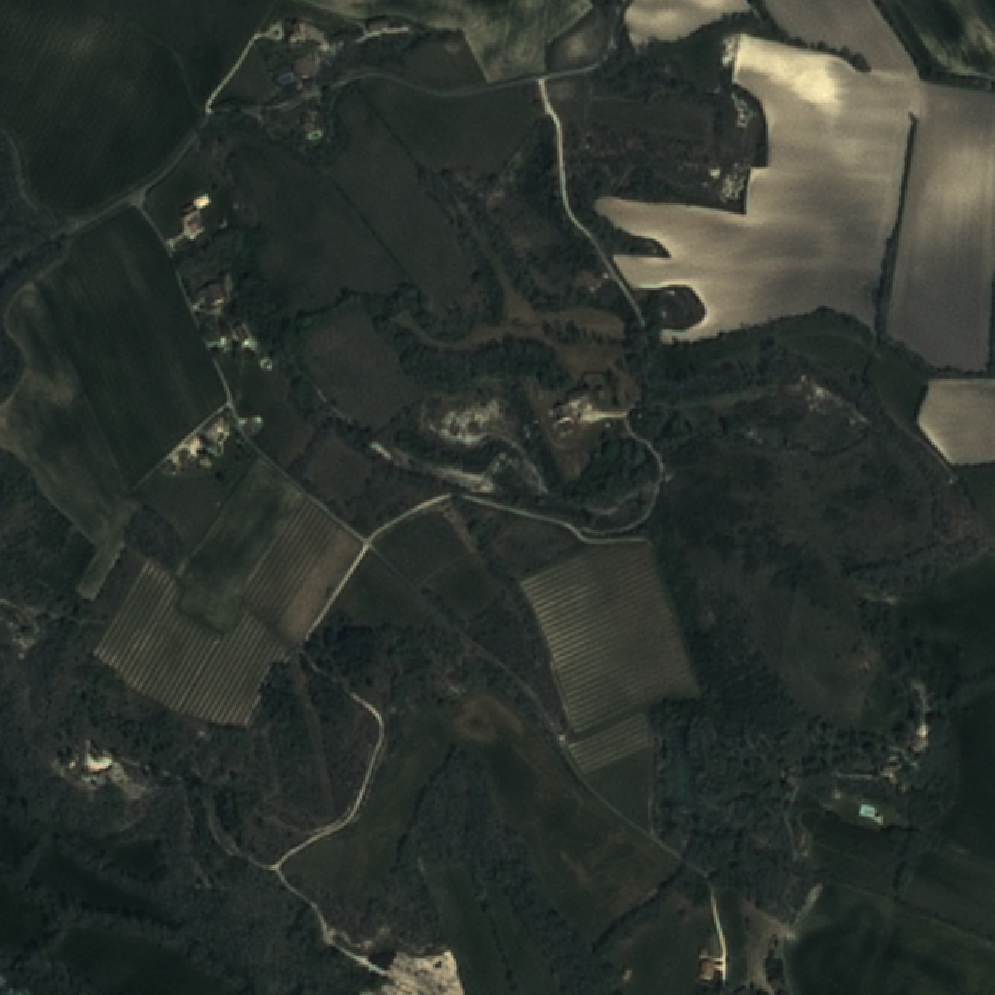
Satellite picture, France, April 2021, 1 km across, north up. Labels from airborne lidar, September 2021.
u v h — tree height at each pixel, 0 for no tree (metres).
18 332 0
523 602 12
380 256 0
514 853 13
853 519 0
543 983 0
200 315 9
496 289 10
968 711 7
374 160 0
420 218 0
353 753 6
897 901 6
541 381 10
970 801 0
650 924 13
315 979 9
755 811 13
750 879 10
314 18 0
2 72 0
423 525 0
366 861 0
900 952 0
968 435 0
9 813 17
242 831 12
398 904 7
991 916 0
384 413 0
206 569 0
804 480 0
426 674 11
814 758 9
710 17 0
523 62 0
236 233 14
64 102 0
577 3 0
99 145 0
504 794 0
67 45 0
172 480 0
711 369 0
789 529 0
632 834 0
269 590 0
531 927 18
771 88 0
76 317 0
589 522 15
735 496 0
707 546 0
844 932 0
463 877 0
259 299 15
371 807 0
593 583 0
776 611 0
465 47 0
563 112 0
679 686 0
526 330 0
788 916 17
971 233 0
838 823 10
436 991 0
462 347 0
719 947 0
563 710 0
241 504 0
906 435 11
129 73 0
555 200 9
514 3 0
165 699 0
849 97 0
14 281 11
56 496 0
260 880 10
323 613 0
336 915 6
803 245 0
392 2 0
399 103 0
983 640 0
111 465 0
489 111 0
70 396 0
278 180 0
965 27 0
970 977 0
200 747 9
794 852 12
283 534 0
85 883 0
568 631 0
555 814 0
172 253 0
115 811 14
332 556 0
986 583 0
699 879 14
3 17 0
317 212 0
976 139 0
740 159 0
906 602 0
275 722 12
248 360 7
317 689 11
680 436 9
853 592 0
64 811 19
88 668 8
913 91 0
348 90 8
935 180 0
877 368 0
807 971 0
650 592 0
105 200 0
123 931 15
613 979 15
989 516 0
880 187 0
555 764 0
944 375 8
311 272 0
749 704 7
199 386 0
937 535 9
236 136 0
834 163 0
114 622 0
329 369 0
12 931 0
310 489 12
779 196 0
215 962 17
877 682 0
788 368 11
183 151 0
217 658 0
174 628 0
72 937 0
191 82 0
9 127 0
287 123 12
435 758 0
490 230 14
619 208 0
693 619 8
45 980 9
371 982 6
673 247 0
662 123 0
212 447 6
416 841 9
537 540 0
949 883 0
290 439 0
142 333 0
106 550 0
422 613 0
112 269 0
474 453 7
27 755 14
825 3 0
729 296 0
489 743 0
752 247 0
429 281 0
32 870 14
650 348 9
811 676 0
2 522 9
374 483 10
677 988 0
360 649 16
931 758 17
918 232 0
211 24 0
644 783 0
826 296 0
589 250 6
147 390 0
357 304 14
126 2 0
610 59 9
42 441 0
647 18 0
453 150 0
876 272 0
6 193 14
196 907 21
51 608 10
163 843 16
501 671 7
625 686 0
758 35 0
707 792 10
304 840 0
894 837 13
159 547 12
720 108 6
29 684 0
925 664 16
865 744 8
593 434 0
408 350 13
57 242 6
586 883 0
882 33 0
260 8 0
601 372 0
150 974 0
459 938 0
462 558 0
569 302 13
